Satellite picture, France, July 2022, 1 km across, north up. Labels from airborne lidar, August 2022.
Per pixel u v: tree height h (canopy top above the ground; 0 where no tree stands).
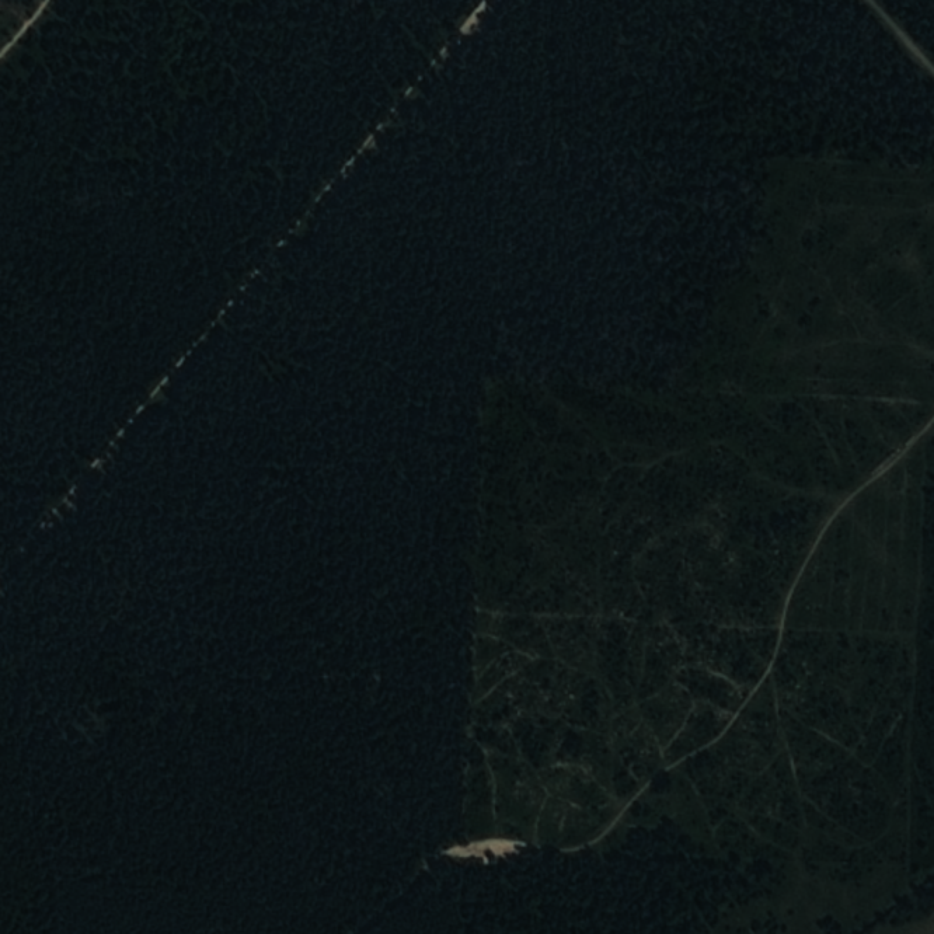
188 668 27
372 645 23
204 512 28
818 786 8
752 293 0
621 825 0
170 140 19
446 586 19
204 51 14
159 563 30
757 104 16
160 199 16
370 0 22
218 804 17
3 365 25
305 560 16
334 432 23
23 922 11
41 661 20
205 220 20
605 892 17
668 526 5
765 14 29
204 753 20
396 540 22
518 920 13
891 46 13
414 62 26
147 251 24
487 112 27
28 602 26
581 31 29
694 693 12
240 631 26
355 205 26
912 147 13
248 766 24
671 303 8
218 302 19
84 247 15
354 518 24
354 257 23
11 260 16
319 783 19
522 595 7
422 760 22
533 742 14
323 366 26
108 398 25
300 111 27
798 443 0
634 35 26
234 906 14
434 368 28
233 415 22
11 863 15
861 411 0
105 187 16
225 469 26
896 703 6
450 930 17
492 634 0
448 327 24
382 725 19
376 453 28
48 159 15
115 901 16
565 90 29
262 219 30
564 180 29
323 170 21
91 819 23
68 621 29
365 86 25
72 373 27
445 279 25
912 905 19
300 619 15
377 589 23
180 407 22
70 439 30
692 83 14
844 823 6
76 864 17
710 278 17
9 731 11
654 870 21
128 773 18
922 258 0
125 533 26
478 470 23
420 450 30
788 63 31
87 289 14
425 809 26
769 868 24
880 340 0
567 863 20
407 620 20
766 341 0
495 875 21
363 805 22
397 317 25
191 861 16
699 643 7
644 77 23
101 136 26
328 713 22
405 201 30
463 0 32
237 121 12
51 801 19
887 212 0
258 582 28
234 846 19
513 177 24
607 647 7
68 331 25
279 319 25
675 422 9
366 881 20
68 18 9
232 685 22
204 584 29
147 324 24
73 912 18
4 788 15
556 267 27
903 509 0
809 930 0
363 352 22
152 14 11
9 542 31
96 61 24
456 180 25
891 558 0
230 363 25
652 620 8
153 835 20
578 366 32
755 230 31
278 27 21
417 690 21
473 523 26
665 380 27
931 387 0
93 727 28
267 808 18
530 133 29
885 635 0
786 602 0
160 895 17
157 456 30
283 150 30
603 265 33
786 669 9
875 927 16
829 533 0
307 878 24
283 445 25
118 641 28
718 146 24
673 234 7
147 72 17
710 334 9
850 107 12
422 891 23
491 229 22
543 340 33
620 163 30
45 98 7
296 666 7
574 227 27
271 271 28
